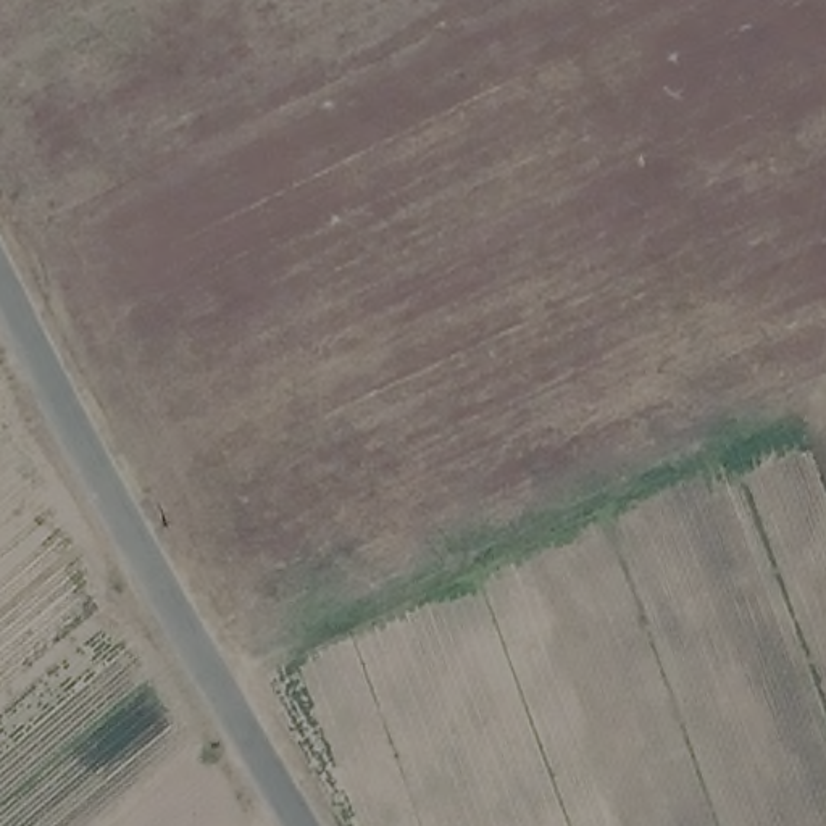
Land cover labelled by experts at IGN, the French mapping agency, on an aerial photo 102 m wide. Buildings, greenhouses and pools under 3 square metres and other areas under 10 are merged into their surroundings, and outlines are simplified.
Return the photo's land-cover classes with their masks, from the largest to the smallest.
<instances>
[{"label":"agricultural land","instance_id":"1","mask_svg":"<svg viewBox=\"0 0 826 826\"><path fill-rule=\"evenodd\" d=\"M0 252L10 271L16 274L35 313V323L61 374L68 378L94 436L100 439L103 455L123 481L148 539L155 542L161 561L174 574L184 600L190 603L216 655L236 678L248 710L255 713L261 732L284 761L316 826H826V490L813 455L794 448L761 455V461L752 471H732L729 481L703 484L687 478L652 494L649 500L632 503L620 516V523L587 526L568 545L542 549L523 565L490 571L487 584L478 594L426 603L419 610L403 613L400 620L352 632L316 649L300 674L303 687L313 697V713L332 742L336 765L326 774H316V761L300 755L287 703L274 694L271 684L277 671H284L307 626H319L342 607L387 587L390 581L410 578L416 571L413 561L419 558V545H432V536H461L465 529L507 526L523 513L545 510V503L552 500L584 494L597 484H610L626 471H649L684 461L700 452L697 439L710 432L713 416L745 419L765 429L784 416H803L810 410L816 378L826 374V0H0ZM274 810L265 791L248 771L245 758L239 755L207 690L194 678V668L181 655L171 629L165 626L139 574L132 571L126 552L119 549L97 503V494L87 487L81 465L65 445V436L35 378L19 358L10 326L0 313V826H271Z\"/></svg>","mask_w":826,"mask_h":826},{"label":"herbaceous vegetation","instance_id":"2","mask_svg":"<svg viewBox=\"0 0 826 826\"><path fill-rule=\"evenodd\" d=\"M700 452L684 461L649 471H626L610 484H597L584 494L552 500L545 503V510L523 513L507 526L465 529L461 536H432V545H419V558L413 561L416 571L410 578L390 581L387 587L342 607L319 626H307L284 671H277L271 684L274 694L287 703L300 755L316 761V774H326L336 765L332 742L313 713V697L303 687L300 674L316 649L352 632L400 620L403 613L419 610L426 603L478 594L487 584L490 571L523 565L542 549L568 545L587 526L620 523V516L632 503L649 500L652 494L687 478L703 484L729 481L732 471H752L761 461V455L794 448L813 455L826 490V374L816 378L810 410L803 416H784L765 429L745 419L713 416L710 432L697 439Z\"/></svg>","mask_w":826,"mask_h":826},{"label":"impervious surface","instance_id":"3","mask_svg":"<svg viewBox=\"0 0 826 826\"><path fill-rule=\"evenodd\" d=\"M0 313L10 326L19 358L35 378L65 436V445L81 465L87 487L97 494V503L119 549L126 552L132 571L139 574L165 626L171 629L181 655L194 668V678L207 690L239 755L245 758L248 771L265 791L274 810L271 826H316L284 761L261 732L255 713L248 710L236 678L216 655L190 603L184 600L174 574L161 561L155 542L148 539L123 481L103 455L100 439L94 436L68 378L61 374L35 323V313L16 274L10 271L0 252Z\"/></svg>","mask_w":826,"mask_h":826}]
</instances>
